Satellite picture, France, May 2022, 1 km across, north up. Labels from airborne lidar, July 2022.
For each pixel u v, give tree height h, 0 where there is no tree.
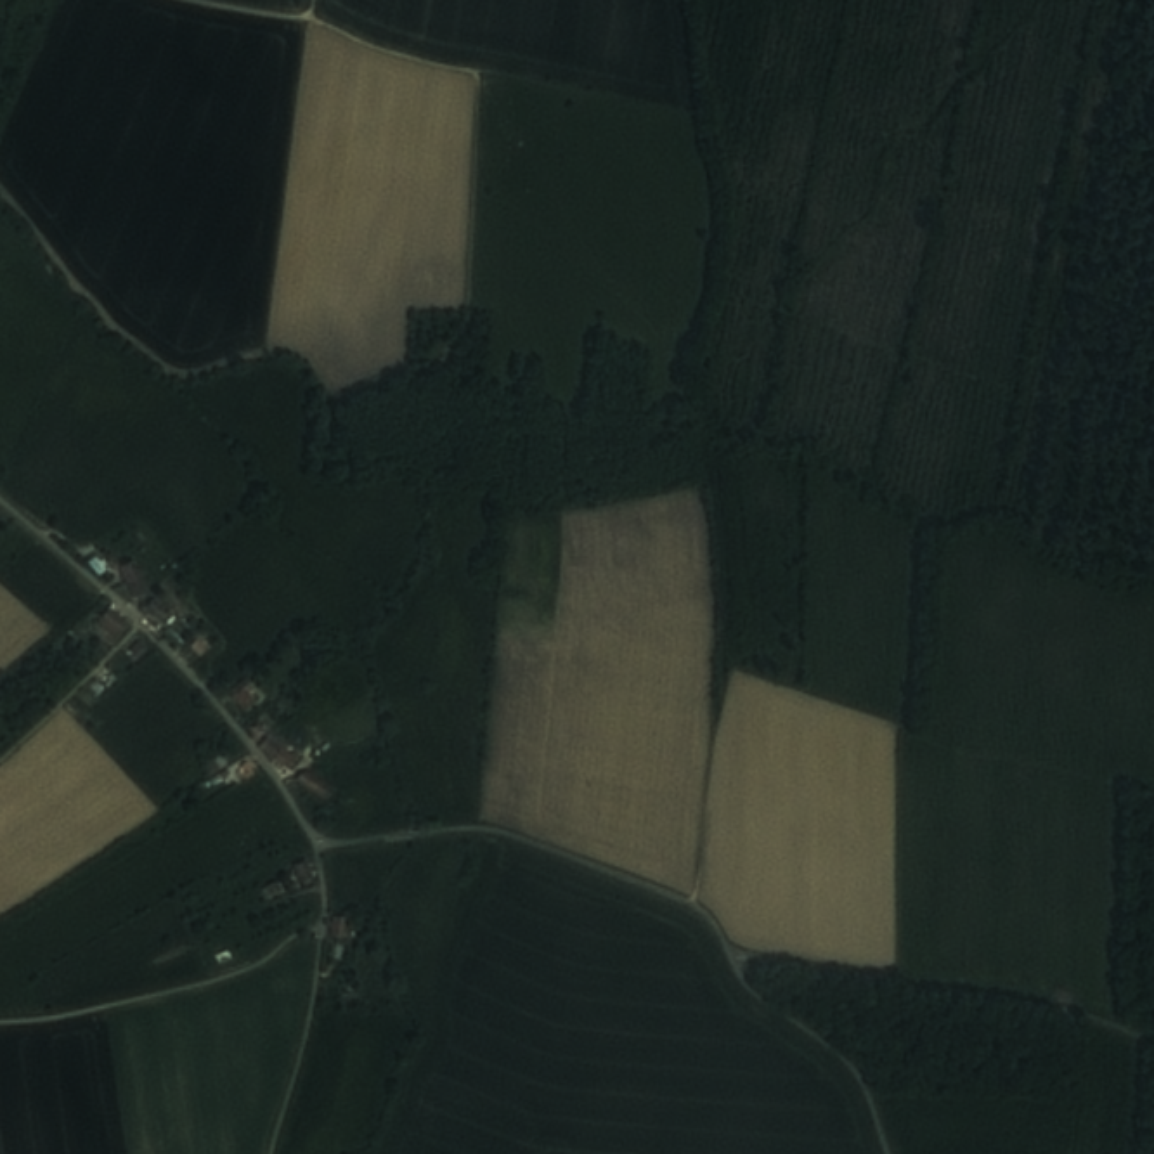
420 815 10
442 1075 0
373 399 24
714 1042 0
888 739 0
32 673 14
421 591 0
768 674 24
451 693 0
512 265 0
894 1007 23
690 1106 0
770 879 0
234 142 0
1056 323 7
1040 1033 28
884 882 0
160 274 0
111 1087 0
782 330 19
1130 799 23
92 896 0
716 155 17
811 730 0
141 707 0
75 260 0
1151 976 24
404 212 0
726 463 9
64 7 0
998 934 0
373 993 0
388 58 0
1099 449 33
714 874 0
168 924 0
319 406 18
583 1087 0
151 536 0
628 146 0
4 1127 0
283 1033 0
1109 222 28
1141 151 22
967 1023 29
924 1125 8
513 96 0
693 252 0
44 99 0
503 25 0
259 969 0
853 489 18
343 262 0
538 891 0
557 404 18
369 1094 0
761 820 0
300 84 0
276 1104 0
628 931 0
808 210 9
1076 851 0
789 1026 0
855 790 0
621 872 0
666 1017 0
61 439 0
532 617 0
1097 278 33
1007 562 0
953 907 0
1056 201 24
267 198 0
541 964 0
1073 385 28
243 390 0
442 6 0
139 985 0
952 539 16
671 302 0
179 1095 0
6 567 0
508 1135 0
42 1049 0
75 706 0
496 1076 0
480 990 0
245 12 0
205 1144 0
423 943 0
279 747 0
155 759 0
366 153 0
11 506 0
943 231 24
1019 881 0
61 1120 0
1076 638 0
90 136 0
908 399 6
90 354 0
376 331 0
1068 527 25
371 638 8
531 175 0
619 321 0
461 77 0
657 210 0
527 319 0
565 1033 0
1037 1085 29
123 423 0
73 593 0
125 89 0
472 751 0
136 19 0
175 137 0
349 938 6
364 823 0
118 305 0
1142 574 21
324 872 0
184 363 0
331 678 0
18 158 0
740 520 5
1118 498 7
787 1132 0
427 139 0
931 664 20
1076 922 0
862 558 0
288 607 0
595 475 20
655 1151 0
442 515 0
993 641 0
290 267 0
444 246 0
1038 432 7
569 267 0
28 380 0
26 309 0
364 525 0
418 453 25
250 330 0
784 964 20
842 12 7
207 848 0
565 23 0
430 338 8
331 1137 0
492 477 18
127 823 0
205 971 0
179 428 0
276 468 0
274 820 0
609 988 0
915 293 7
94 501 0
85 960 0
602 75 0
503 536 10
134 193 0
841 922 0
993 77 6
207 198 0
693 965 0
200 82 0
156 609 0
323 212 0
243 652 0
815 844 0
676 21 0
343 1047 0
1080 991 0
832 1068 0
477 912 0
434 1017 0
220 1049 0
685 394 14
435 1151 0
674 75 0
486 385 18
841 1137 0
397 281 0
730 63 8
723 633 7
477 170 0
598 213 0
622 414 25
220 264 0
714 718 0
